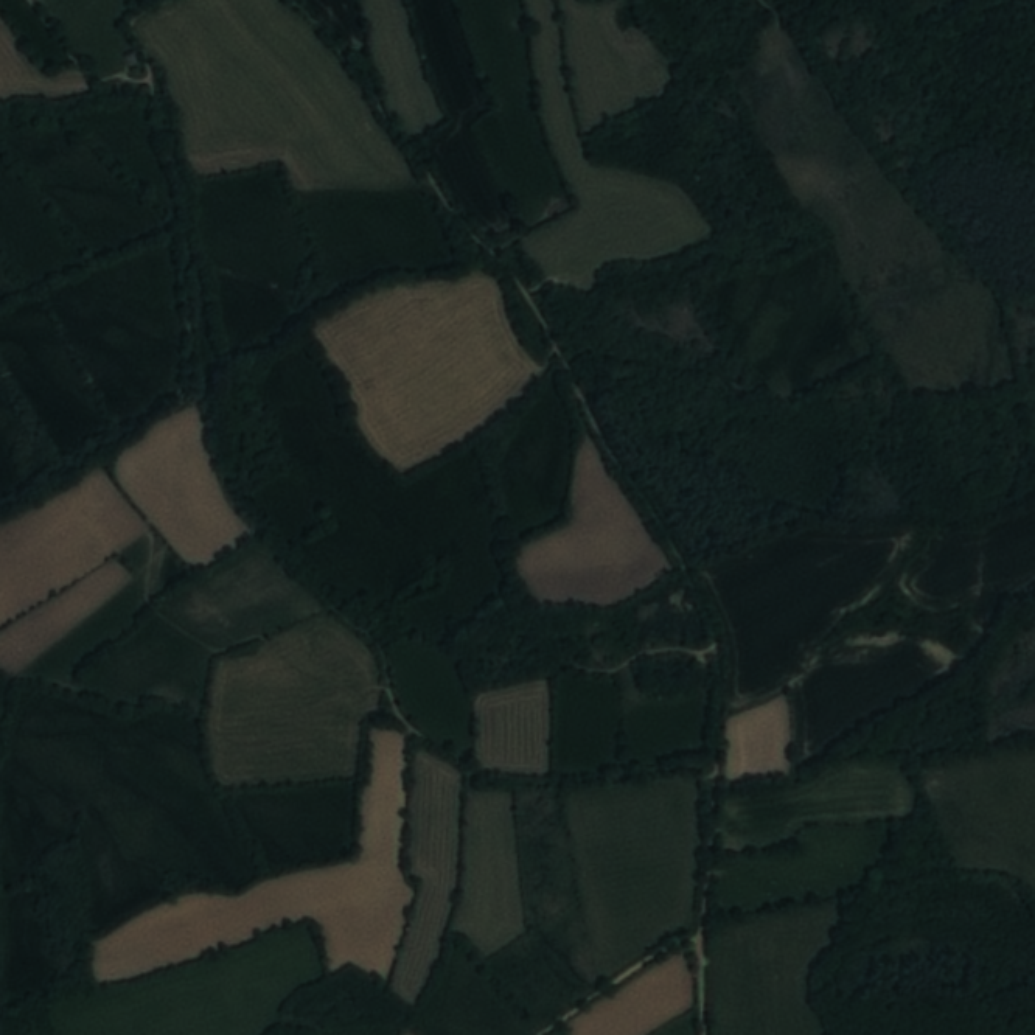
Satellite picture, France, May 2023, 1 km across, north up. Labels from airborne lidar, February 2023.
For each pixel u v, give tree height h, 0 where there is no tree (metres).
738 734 0
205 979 0
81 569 0
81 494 0
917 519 11
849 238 0
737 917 12
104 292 0
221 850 0
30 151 0
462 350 0
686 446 15
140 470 0
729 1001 0
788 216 8
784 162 0
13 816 0
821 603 0
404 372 0
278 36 0
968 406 15
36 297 9
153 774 0
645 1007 0
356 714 0
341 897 0
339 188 0
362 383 0
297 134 0
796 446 9
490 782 10
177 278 6
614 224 0
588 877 0
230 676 0
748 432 10
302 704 0
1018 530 0
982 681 16
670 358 7
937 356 0
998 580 0
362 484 0
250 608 0
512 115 0
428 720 0
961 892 6
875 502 14
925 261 0
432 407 0
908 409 11
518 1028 0
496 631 16
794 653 0
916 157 11
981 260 18
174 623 0
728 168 13
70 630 0
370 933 0
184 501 0
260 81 0
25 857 0
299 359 0
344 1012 8
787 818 0
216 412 17
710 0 9
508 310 11
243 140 0
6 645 0
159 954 0
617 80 0
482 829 0
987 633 13
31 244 0
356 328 0
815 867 0
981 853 0
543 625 16
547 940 0
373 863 0
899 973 21
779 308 0
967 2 14
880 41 7
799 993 0
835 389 12
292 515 0
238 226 0
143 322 0
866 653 0
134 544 0
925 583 0
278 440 7
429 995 6
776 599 0
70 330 0
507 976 0
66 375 0
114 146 0
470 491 0
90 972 7
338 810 0
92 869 0
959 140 9
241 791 8
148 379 0
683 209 0
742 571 0
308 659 0
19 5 0
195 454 0
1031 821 0
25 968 0
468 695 11
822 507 9
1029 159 16
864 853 0
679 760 17
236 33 0
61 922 8
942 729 11
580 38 0
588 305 7
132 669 0
